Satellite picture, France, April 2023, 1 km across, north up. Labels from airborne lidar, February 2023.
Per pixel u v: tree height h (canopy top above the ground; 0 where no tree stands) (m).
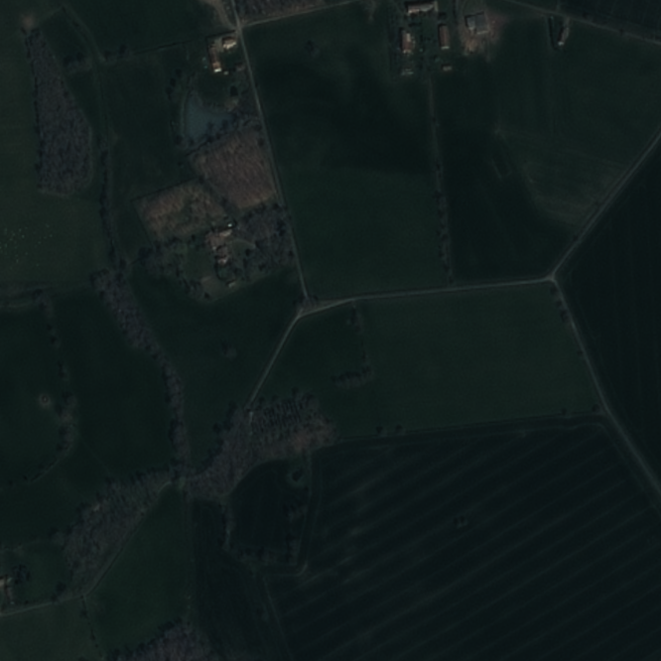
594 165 0
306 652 0
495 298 0
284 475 0
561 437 0
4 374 0
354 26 0
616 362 0
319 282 0
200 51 0
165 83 0
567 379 0
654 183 0
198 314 0
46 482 0
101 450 0
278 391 0
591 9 0
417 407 0
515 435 0
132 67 0
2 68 0
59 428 0
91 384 0
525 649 0
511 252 0
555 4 0
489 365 0
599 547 0
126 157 0
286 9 15
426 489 0
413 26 8
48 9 0
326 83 0
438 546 0
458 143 0
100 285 18
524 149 0
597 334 0
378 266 0
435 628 0
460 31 0
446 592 0
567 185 0
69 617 0
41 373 0
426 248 0
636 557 0
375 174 0
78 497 0
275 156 0
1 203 0
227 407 0
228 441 23
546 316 0
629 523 0
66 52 0
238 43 0
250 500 0
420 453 0
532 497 0
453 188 0
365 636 0
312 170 0
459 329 0
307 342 0
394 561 0
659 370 0
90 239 0
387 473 0
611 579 0
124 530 18
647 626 0
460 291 0
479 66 0
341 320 0
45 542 0
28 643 0
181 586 0
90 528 17
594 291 0
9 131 0
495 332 0
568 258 0
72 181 23
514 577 0
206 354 0
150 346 15
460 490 0
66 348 0
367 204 0
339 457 0
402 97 0
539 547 0
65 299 0
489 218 0
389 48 0
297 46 0
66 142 23
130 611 0
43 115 16
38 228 0
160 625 0
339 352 0
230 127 15
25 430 0
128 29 0
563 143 0
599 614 0
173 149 0
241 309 0
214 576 0
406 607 0
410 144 0
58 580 0
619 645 0
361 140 0
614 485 0
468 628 0
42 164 7
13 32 0
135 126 0
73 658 0
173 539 0
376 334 0
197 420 0
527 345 0
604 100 0
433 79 0
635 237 0
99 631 0
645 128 0
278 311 0
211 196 18
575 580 0
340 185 0
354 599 0
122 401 0
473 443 0
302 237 0
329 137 0
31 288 0
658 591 0
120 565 0
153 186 0
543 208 0
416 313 0
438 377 0
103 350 0
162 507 0
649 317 0
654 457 0
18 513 0
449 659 0
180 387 13
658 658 0
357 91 0
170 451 0
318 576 0
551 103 0
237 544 0
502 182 0
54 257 0
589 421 0
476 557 0
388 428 0
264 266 11
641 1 0
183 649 23
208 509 0
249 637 0
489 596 0
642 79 0
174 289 0
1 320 0
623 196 0
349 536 0
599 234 0
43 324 0
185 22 0
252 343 0
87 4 0
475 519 0
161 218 8
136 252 0
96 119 0
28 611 0
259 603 0
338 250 0
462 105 0
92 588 0
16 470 0
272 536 0
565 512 0
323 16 0
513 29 0
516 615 0
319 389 0
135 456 0
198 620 0
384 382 0
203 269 0
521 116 0
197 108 0
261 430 9
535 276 0
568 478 0
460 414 0
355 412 0
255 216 16
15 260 0
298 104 0
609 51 0
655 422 0
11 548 16
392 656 0
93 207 0
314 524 0
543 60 0
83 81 0
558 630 0
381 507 0
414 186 0
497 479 0
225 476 24
